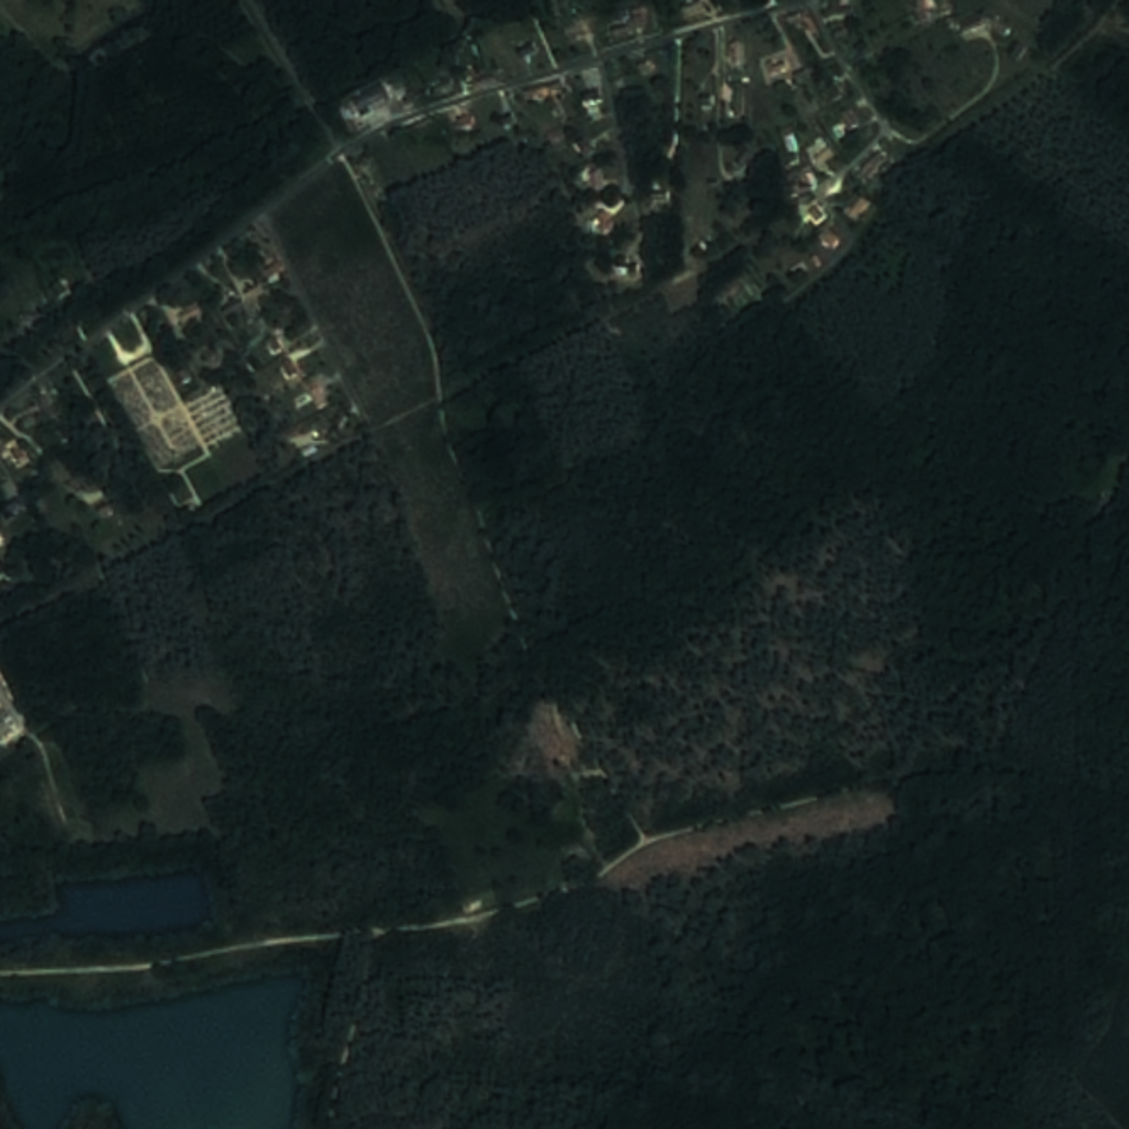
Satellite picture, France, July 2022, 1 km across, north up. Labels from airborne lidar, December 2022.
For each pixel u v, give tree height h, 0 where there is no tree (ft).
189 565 76
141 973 0
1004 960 76
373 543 30
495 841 0
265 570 73
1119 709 68
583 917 38
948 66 0
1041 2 0
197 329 34
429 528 0
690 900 62
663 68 0
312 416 0
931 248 60
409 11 76
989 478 86
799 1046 80
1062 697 56
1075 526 64
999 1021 75
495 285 44
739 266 44
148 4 70
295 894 23
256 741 45
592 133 0
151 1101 0
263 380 0
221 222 69
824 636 55
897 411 75
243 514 46
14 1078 0
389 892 41
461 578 0
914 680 81
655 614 65
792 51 0
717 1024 41
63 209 73
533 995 19
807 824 0
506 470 49
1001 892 68
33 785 0
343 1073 30
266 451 82
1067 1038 29
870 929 72
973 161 43
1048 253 75
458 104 0
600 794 34
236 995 0
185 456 0
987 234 53
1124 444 84
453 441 23
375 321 0
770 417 57
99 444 71
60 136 75
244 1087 0
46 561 64
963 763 69
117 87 22
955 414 67
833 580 74
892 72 26
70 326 82
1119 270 62
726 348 54
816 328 60
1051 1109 65
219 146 68
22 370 62
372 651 26
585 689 61
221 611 59
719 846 0
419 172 0
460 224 51
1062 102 47
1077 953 38
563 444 68
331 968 27
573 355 64
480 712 56
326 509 51
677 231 44
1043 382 79
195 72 24
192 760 0
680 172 31
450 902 47
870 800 0
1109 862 65
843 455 60
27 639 73
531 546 70
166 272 60
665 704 76
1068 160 54
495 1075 19
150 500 61
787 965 78
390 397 0
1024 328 81
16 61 88
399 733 57
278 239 0
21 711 48
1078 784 39
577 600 21
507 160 65
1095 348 79
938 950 56
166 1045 0
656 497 56
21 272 0
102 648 56
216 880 35
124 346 0
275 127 58
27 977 0
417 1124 49
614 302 29
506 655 69
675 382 44
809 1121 80
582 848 0
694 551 57
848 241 0
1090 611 72
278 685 39
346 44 70
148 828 51
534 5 35
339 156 0
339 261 0
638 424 69
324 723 35
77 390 52
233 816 44
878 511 64
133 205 64
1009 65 0
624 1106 62
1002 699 66
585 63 0
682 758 52
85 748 41
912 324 64
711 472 49
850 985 81
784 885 39
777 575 72
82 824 0
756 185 54
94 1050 0
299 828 45
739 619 54
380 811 43
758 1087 59
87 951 37
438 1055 33
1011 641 70
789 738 61
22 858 56
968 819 90
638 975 28
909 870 53
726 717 71
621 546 24
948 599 61
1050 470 84
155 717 36
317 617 28
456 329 59
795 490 55
